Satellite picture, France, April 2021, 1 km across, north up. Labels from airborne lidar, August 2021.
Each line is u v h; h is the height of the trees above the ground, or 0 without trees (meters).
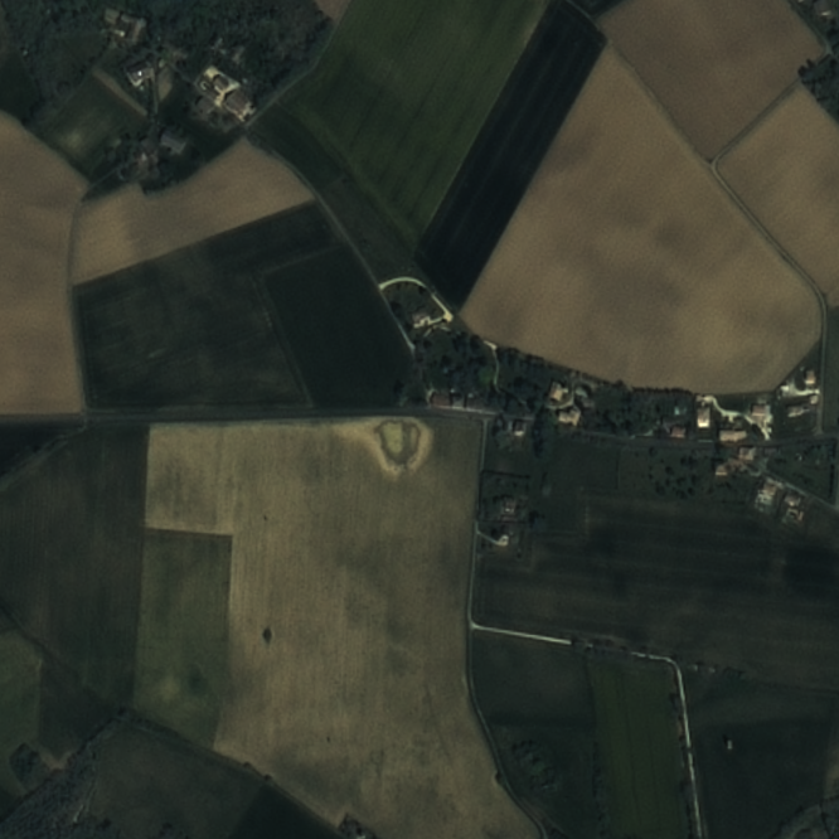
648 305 0
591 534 0
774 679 0
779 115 0
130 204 0
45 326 0
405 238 0
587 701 0
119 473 0
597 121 0
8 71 0
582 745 0
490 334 0
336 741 0
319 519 0
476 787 0
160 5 17
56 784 12
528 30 0
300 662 0
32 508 0
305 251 0
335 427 0
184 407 0
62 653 0
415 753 0
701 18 0
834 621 0
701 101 0
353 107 0
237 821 0
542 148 0
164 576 0
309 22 0
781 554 0
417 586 0
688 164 0
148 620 0
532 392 18
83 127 0
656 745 0
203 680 0
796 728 0
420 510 0
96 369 0
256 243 0
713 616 0
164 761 0
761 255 0
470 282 0
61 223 0
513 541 7
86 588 0
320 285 0
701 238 0
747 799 0
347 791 0
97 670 0
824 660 0
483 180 0
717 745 0
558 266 0
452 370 19
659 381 0
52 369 0
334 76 0
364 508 0
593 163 0
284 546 0
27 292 0
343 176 0
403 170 0
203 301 0
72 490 0
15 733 0
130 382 0
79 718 0
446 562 0
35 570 0
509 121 0
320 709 0
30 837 12
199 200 0
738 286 0
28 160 0
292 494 0
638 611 0
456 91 0
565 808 0
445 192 0
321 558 0
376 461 0
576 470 0
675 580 0
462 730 0
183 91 0
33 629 0
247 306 0
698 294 0
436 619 0
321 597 0
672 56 0
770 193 0
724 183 0
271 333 0
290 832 0
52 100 19
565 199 0
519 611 0
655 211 0
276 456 0
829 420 0
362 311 0
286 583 0
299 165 0
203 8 14
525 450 0
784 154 0
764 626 0
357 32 0
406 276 0
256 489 0
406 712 0
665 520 0
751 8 0
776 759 0
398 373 0
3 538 0
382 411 0
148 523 0
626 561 0
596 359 0
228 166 0
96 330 0
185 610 0
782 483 0
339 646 0
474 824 0
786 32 0
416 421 0
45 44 23
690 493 8
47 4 19
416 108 0
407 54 0
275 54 11
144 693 0
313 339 0
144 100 6
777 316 0
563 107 0
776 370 0
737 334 0
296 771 0
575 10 0
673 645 0
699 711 0
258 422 0
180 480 0
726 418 0
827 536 0
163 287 0
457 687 0
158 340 0
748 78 0
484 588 0
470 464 0
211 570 0
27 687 0
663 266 0
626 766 0
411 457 0
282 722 0
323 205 0
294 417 0
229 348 0
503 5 0
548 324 0
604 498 0
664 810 0
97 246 0
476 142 0
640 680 0
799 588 0
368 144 0
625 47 0
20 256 0
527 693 0
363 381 0
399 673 0
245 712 0
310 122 0
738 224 0
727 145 0
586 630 0
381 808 0
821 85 7
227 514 0
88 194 0
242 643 0
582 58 0
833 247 0
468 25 0
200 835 0
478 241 0
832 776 0
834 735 0
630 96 0
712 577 0
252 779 0
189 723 0
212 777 0
